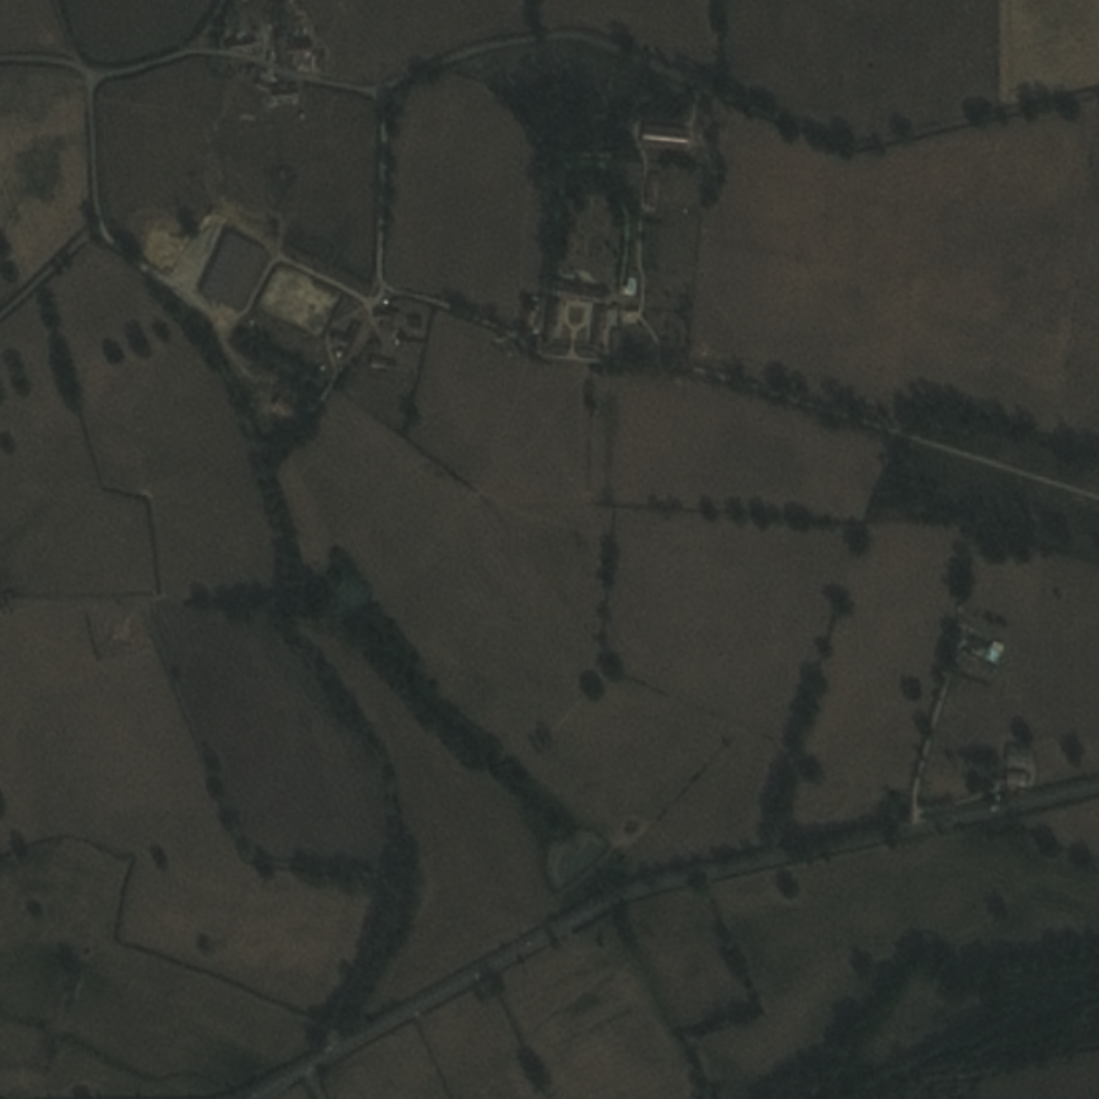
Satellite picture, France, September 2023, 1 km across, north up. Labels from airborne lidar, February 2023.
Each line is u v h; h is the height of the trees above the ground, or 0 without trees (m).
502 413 0
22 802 0
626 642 0
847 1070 0
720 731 0
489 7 0
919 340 0
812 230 0
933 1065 8
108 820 0
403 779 0
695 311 0
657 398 0
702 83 15
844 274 0
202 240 0
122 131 0
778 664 0
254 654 0
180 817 0
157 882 0
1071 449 24
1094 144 0
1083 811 0
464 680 0
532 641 0
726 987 0
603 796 0
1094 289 0
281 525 10
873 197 0
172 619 0
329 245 0
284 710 0
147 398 0
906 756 0
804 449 0
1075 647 0
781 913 0
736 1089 0
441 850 0
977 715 0
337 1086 0
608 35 0
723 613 0
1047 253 0
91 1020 0
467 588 0
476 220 0
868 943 0
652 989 0
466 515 0
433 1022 0
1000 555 19
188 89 0
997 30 0
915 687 8
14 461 0
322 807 0
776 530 0
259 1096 0
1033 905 0
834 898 0
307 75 0
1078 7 0
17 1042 0
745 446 0
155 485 0
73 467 0
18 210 0
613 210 7
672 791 0
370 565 0
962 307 0
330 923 0
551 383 0
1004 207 0
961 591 17
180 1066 0
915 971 14
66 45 0
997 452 0
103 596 0
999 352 0
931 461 0
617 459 0
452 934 0
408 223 0
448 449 0
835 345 0
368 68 0
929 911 0
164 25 0
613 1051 0
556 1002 0
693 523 0
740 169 0
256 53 0
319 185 0
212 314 0
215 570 0
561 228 7
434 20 0
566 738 0
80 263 0
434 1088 0
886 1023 0
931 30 0
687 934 0
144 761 0
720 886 0
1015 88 0
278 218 0
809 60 0
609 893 18
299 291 0
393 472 0
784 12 0
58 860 0
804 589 0
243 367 0
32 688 0
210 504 0
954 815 0
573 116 24
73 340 0
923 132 0
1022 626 0
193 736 0
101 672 0
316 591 22
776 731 0
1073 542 0
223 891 0
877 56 0
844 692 0
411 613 0
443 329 0
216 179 0
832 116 0
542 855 0
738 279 0
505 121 0
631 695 0
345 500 0
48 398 0
